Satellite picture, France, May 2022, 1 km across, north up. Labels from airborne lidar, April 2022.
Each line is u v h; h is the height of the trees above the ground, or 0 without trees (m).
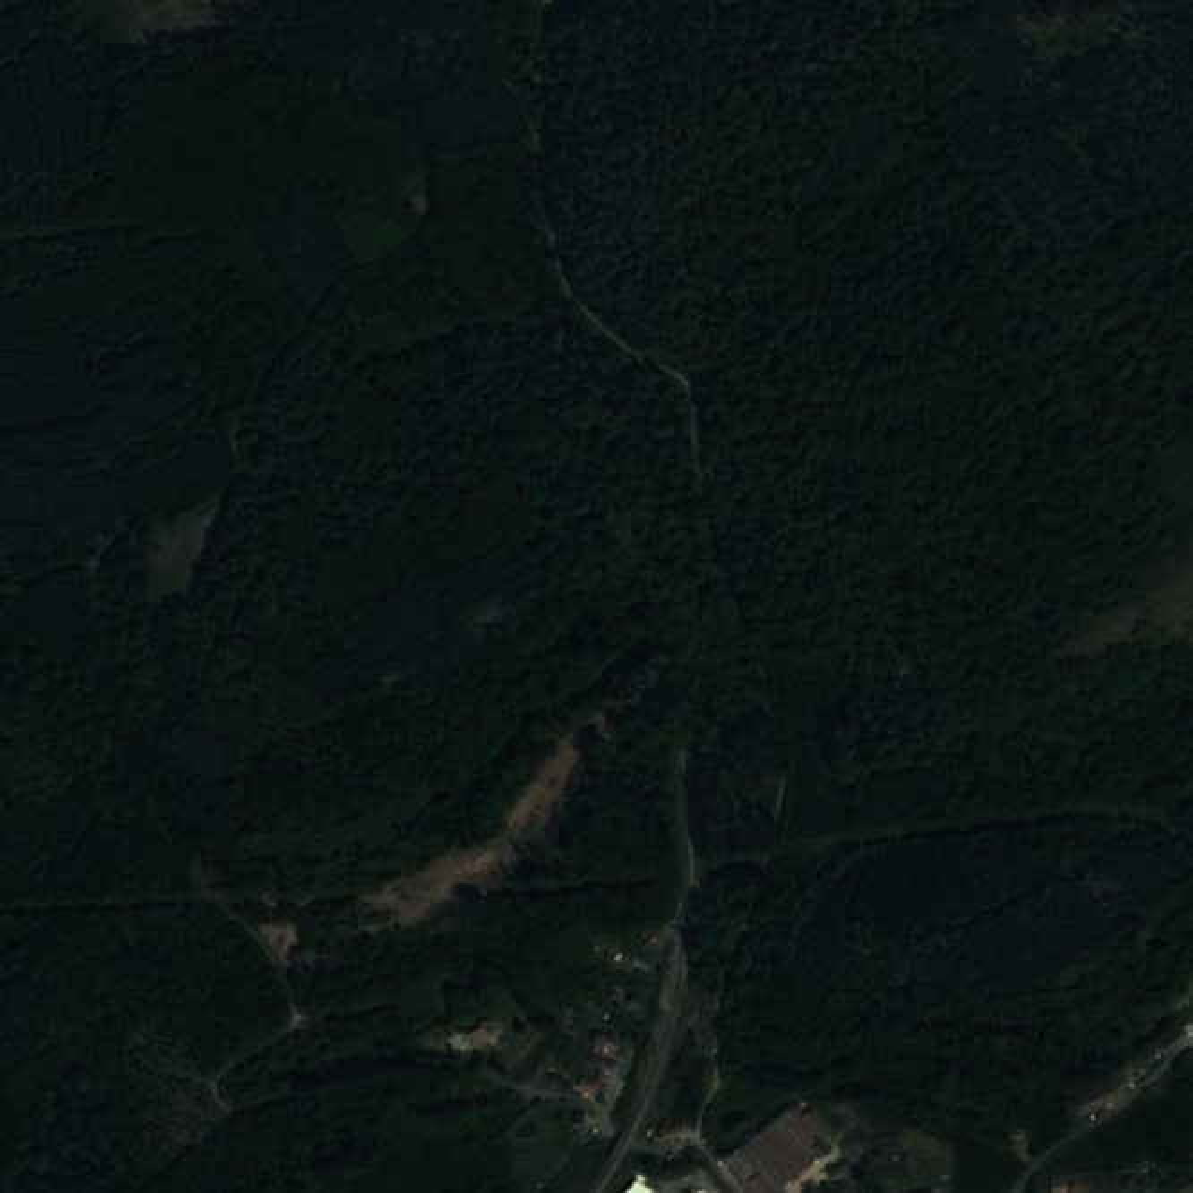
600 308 17
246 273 17
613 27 20
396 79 20
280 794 17
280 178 18
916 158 17
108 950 16
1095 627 0
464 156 22
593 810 13
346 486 14
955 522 19
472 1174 0
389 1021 16
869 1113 0
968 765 17
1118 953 17
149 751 15
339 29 17
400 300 18
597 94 25
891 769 13
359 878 8
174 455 11
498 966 9
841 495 22
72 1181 30
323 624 19
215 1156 11
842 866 14
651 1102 0
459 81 24
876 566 21
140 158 13
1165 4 27
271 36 21
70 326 10
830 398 21
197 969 18
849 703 13
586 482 32
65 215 9
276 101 14
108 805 15
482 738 11
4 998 29
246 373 12
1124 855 25
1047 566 20
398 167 18
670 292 24
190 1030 16
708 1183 0
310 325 21
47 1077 11
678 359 20
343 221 23
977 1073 20
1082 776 7
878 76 17
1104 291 8
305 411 16
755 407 22
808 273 21
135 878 15
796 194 25
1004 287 12
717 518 24
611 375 12
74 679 19
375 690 17
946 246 17
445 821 8
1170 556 0
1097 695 15
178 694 19
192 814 17
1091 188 28
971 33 22
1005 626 18
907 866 14
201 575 17
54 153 12
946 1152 0
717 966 14
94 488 24
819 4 17
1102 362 12
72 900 10
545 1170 0
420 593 18
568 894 13
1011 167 26
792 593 18
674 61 24
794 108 22
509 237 23
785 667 6
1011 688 15
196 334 15
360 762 11
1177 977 6
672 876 0
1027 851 13
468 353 22
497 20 10
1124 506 8
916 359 23
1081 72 29
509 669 11
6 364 12
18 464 30
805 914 11
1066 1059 6
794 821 6
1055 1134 0
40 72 12
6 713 16
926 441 21
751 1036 9
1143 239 6
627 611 10
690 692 32
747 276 30
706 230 21
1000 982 23
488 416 18
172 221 16
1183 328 14
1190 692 12
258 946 7
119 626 14
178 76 18
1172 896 20
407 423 18
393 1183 0
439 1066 9
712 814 30
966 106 23
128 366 22
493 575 14
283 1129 16
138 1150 11
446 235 18
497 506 19
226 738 26
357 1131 14
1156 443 10
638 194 21
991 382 13
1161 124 28
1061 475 8
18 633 15
